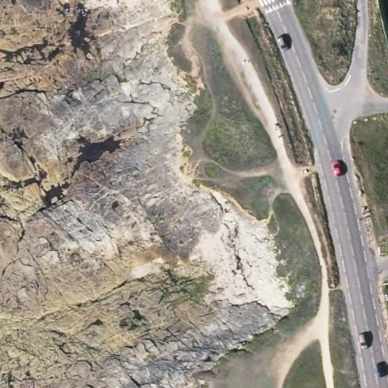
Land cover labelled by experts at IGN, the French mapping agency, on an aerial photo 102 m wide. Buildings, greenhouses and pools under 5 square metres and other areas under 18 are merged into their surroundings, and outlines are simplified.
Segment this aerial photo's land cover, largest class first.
<instances>
[{"label":"bare soil","instance_id":"1","mask_svg":"<svg viewBox=\"0 0 388 388\"><path fill-rule=\"evenodd\" d=\"M199 0H0V388H214V377H229L230 368L227 362L238 355V349H242V341H249L255 333L270 329L280 317L288 314L289 308H293V303L285 299V294L289 291V277L293 274L288 271L285 276L277 277V265H285V261H276L280 250L274 244L273 233L268 232V223L264 220H258L247 209L242 208L235 197L221 194L220 191L208 186H196L192 183L197 168L206 164L209 159L203 155L202 149L205 133L200 132L199 136H194L191 127L186 126V120L197 109L194 100L203 89L202 77L199 74L191 76V62L185 58L179 41L185 30L183 26L188 18V12L194 11ZM293 5L291 0H262L261 8L265 15ZM276 358L267 371L268 376L277 379V370L285 356L283 352L286 344L294 341L296 333L282 332L279 335Z\"/></svg>","mask_w":388,"mask_h":388},{"label":"herbaceous vegetation","instance_id":"2","mask_svg":"<svg viewBox=\"0 0 388 388\"><path fill-rule=\"evenodd\" d=\"M293 5L303 33L311 45L312 55L321 76L329 85H339L346 79L352 65L358 29L359 0H291ZM370 15L367 79L377 94L388 97V0H367ZM258 15L255 17L232 18L227 27L238 39L239 44L246 48L250 62L258 73L265 94L276 114L277 127L282 132L288 158L300 167L315 165L314 142L306 127L291 76L280 55V50L285 48V45H277L274 32L265 15L261 8L256 9ZM217 32L200 24L192 27L191 42L199 55V74L202 77L203 89L194 100L197 109L186 120V126L191 127L194 136H199L200 132L205 133L202 149L203 155L209 159L206 164L197 168L192 183L196 186H208L220 191L221 194L235 197L242 208L247 209L258 220H264L268 214L265 189L270 186L273 188L279 179L259 176L241 179L239 173L256 170L276 161L277 152L270 135L247 105L241 89L230 74L224 62ZM350 145L353 161L358 170L356 179L362 196L367 197L364 209L370 214L376 244L380 247L382 256H388V112L362 115L356 118L350 127ZM317 185H312L311 179L305 177V200L311 206L312 221L317 229L327 267L329 352L333 367V388H361L355 344L349 327V312L343 289L339 285L335 246L330 233L320 174L317 173ZM268 232L273 233L274 244L280 250L276 261H285V265H277V277L285 276L288 271L293 274L289 277V291L285 294V299L293 303V308H289L288 314L280 317L270 329L255 333L249 341H242V349H238V355L227 362L230 368L229 377H214V388H276L277 379L268 376L267 371L276 358L279 335L282 332L296 333L308 326L309 321L320 309L321 267L317 250L305 217L289 192L279 194L274 200V215L268 223ZM282 388H326L320 341H312L294 361L293 367L289 368Z\"/></svg>","mask_w":388,"mask_h":388},{"label":"impervious surface","instance_id":"3","mask_svg":"<svg viewBox=\"0 0 388 388\"><path fill-rule=\"evenodd\" d=\"M274 32L277 45H285V48L280 50V55L291 76L306 127L314 142L315 165L317 173L320 174L330 233L335 246L339 285L343 289L349 312V327L355 344L361 388H388V256H382L380 247L376 244L370 214L364 209L367 197L362 196L356 179L358 170L353 161L350 145V127L356 118L362 115L388 112V97L377 94L367 79L370 15L367 0H359L358 29L352 65L346 79L339 85H329L321 76L312 55L311 45L303 33L293 5L265 15Z\"/></svg>","mask_w":388,"mask_h":388},{"label":"pervious surface","instance_id":"4","mask_svg":"<svg viewBox=\"0 0 388 388\"><path fill-rule=\"evenodd\" d=\"M262 0H199L194 11L188 12V18L183 26L185 30L179 41L185 58L191 62V76L199 74V55L191 42L192 27L200 24L217 32L224 62L230 74L241 89L247 105L270 135L277 152L276 161L256 170L239 173L241 179L259 176L279 179L273 188L270 186L265 189L268 214L264 220L268 223L274 215V200L279 194L289 192L305 217L317 250L321 267L320 309L309 321L308 326L296 333L294 341L286 344L283 352L285 356L277 370V379L276 388H282L289 368L293 367L294 361L312 341H320L326 388H333V367L329 352L327 267L317 229L312 221L311 206L305 200V177L311 179L312 185H317V173L315 165L300 167L288 158L282 132L277 127L276 114L265 94L258 73L250 62L246 48L239 44L238 39L227 27L232 18L255 17L258 15L256 9L261 8Z\"/></svg>","mask_w":388,"mask_h":388}]
</instances>
